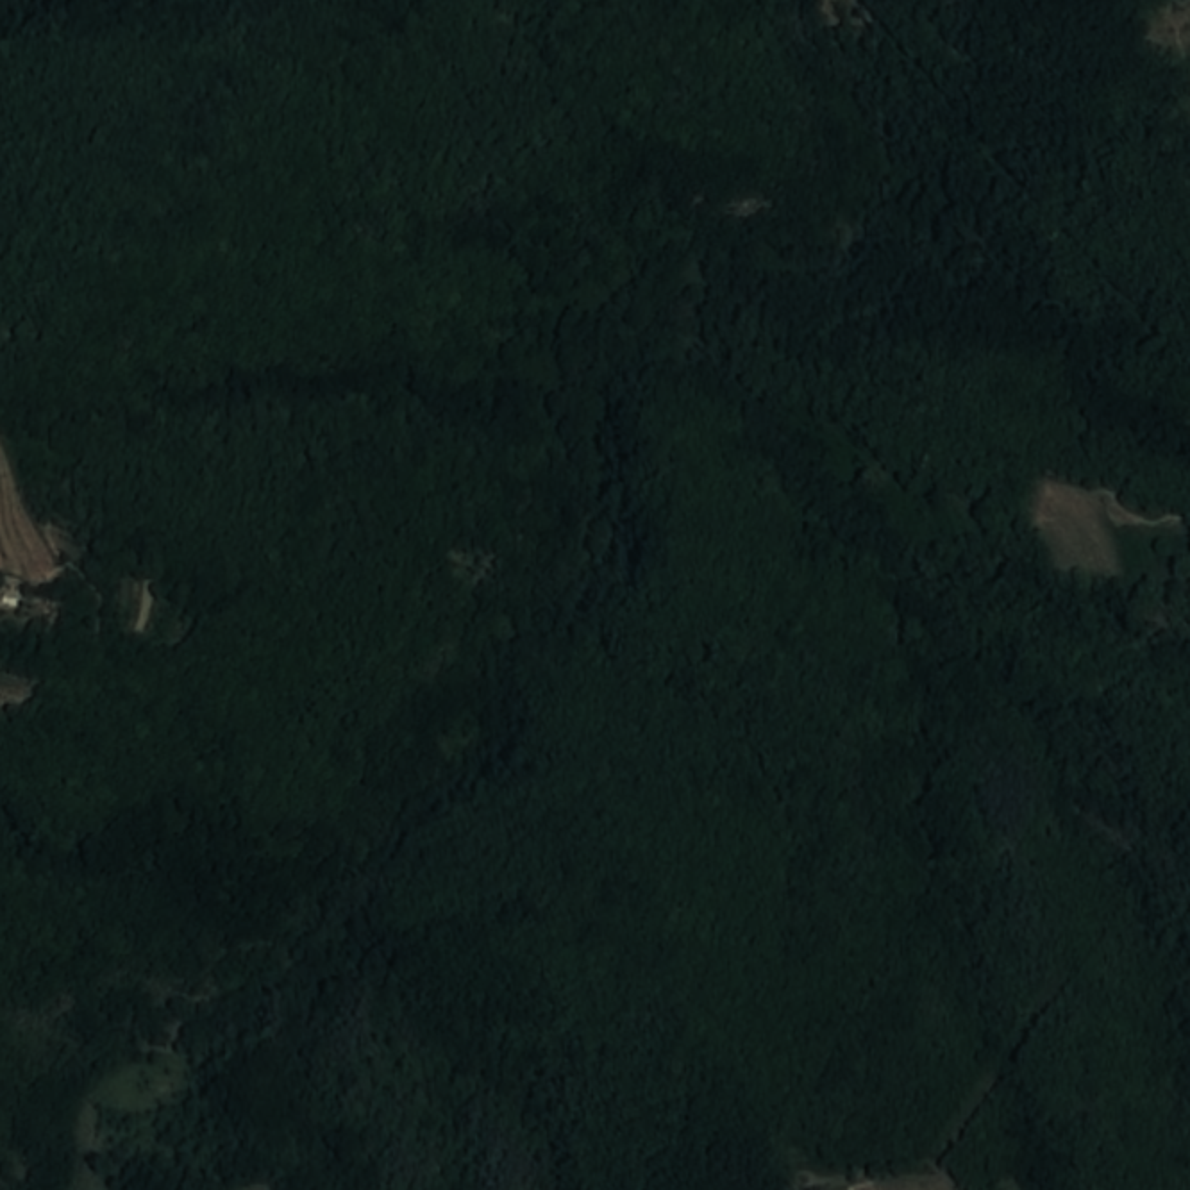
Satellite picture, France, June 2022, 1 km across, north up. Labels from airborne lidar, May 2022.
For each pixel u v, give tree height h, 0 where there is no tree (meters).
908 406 18
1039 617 21
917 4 14
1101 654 17
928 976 13
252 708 19
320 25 24
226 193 10
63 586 11
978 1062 12
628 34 19
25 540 0
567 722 20
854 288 17
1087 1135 10
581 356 26
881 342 16
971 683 22
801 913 21
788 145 17
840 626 18
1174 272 18
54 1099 16
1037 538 14
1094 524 0
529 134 16
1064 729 20
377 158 18
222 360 18
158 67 23
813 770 18
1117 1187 10
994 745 21
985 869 8
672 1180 14
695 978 12
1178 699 13
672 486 21
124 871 25
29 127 14
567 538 14
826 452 7
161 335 17
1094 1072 11
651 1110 21
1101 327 20
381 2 17
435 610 15
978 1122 18
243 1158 14
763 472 16
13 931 13
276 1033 16
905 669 17
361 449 24
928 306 21
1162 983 17
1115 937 12
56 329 10
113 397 23
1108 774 11
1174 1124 9
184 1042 13
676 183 20
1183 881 6
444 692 11
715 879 11
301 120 18
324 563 20
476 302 15
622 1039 15
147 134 18
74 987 11
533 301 22
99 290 12
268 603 20
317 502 21
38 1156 20
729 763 21
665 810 12
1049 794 16
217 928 20
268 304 13
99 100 20
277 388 28
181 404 20
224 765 18
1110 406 32
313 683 20
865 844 12
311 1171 17
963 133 25
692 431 16
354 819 17
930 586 23
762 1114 14
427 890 20
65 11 22
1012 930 13
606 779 18
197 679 18
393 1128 13
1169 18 0
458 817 21
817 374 8
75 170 17
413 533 17
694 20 17
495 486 16
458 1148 12
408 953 22
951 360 23
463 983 16
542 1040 18
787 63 14
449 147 17
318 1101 15
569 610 26
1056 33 16
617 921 16
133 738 24
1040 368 23
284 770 17
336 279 21
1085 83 24
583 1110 19
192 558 19
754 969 15
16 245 15
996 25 14
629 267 6
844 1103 20
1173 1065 23
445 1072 16
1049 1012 11
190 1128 9
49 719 19
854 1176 8
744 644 21
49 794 20
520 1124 18
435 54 21
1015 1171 12
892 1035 20
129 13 27
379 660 16
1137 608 15
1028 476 16
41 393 22
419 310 13
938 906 21
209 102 7
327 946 7
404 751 14
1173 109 21
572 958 14
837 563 17
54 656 14
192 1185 13
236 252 13
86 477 18
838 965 16
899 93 22
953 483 15
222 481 13
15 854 15
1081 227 20
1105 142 22
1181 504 19
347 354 20
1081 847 18
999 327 25
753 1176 11
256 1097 19
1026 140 21
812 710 16
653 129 17
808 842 16
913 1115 17
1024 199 25
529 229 18
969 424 21
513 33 17
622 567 13
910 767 26
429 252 10
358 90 15
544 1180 19
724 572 16
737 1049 12
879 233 18
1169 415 22
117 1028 19
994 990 16
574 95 19
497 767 24
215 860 16
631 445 20
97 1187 0
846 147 19
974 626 20
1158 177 22
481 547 17
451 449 20
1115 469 19
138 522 16
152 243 11
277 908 18
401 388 28
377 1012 14
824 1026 21
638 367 12
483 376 21
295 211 16
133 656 17
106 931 12
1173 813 8
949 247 17
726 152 18
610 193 19
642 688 28
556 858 21
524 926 19
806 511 12
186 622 6
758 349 18
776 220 14
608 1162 18
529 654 21
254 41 19
